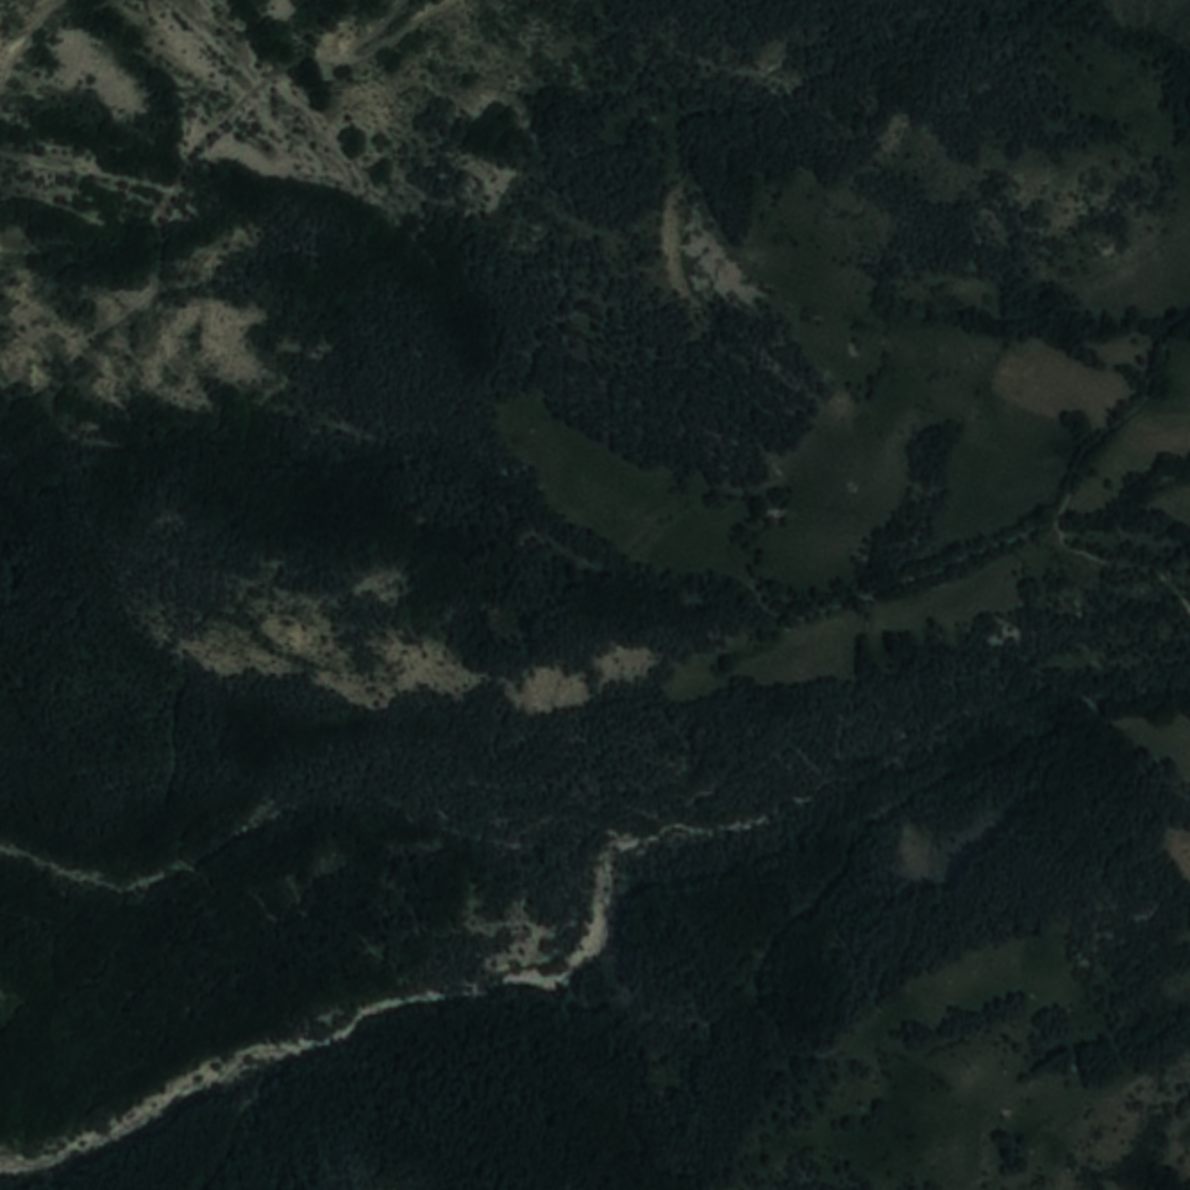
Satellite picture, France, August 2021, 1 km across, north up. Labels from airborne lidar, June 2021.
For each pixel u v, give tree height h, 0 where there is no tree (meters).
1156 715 17
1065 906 11
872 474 0
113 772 19
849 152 13
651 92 11
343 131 7
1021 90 12
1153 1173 13
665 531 0
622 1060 21
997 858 15
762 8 11
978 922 14
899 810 11
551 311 14
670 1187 21
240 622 8
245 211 10
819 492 0
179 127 10
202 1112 15
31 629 18
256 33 9
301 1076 16
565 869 9
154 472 25
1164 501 0
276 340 8
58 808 16
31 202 12
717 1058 19
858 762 6
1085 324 12
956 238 14
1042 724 10
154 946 11
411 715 10
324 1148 11
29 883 11
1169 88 12
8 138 8
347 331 15
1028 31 13
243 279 14
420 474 18
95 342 11
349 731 15
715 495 17
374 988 7
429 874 11
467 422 15
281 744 19
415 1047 22
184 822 15
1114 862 16
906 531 13
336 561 10
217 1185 15
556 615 17
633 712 13
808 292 0
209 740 19
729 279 0
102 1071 8
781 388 14
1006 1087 0
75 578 17
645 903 14
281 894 9
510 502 8
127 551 13
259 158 0
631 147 12
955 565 8
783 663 0
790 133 18
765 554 11
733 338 14
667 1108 14
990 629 9
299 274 12
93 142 11
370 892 11
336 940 10
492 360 13
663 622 13
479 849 10
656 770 8
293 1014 9
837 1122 7
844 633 0
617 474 0
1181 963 6
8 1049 15
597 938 0
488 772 8
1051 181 0
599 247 8
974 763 11
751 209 10
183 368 0
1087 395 0
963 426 9
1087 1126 0
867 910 15
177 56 0
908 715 10
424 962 7
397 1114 17
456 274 15
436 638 7
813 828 16
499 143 10
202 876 6
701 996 10
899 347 0
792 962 19
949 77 8
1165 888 9
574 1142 19
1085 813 20
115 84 0
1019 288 15
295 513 17
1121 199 7
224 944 8
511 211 7
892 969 11
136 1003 7
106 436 8
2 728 19
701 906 18
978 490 0
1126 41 14
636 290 12
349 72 9
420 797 7
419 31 6
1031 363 0
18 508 15
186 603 14
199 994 8
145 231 13
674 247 0
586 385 17
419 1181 10
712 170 18
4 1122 8
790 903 17
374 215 11
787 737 11
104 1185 19
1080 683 14
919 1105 0
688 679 0
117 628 14
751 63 6
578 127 13
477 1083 19
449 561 17
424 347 13
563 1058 19
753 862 15
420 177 11
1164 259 0
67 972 11
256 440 16
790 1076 8
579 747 11
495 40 6
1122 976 8
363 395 17
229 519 14
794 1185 9
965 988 0
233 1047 6
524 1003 16
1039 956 0
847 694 11
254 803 12
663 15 12
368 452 16
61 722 17
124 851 15
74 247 10
